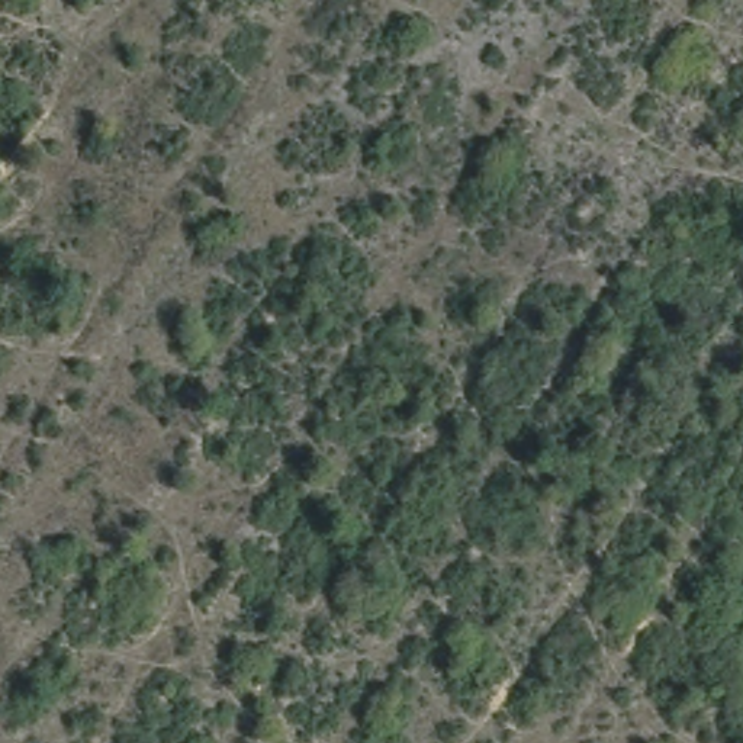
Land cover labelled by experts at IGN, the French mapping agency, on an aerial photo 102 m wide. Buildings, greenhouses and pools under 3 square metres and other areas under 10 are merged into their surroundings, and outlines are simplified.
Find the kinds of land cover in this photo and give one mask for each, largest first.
<instances>
[{"label":"brushwood","instance_id":"1","mask_svg":"<svg viewBox=\"0 0 743 743\"><path fill-rule=\"evenodd\" d=\"M90 3L99 0H0V119L20 116L29 125L41 116L38 102L52 93V75L64 49L61 41L84 38V20L93 12ZM313 9H302L299 20L305 32H319V38L313 46L293 44L287 46V52L302 55L316 73H345V93L357 110L374 113L380 107L392 113L386 122L377 125L383 134V139L377 142V163L357 165L351 197L337 206V218L331 223H311L308 235L299 244L287 241L284 235H276L267 241V247L247 250L229 258L226 270L232 273V282L223 284L218 279H209L203 311H192L186 319L180 302H165L157 311L168 351L180 363H186L183 377H200L209 389L212 401L203 406V412L209 418L226 421V430L221 435L203 441V453L215 459L221 467L238 473L241 479H253L267 464V456L284 459L282 470L250 502V522L276 531L279 551L244 540L241 549H232L226 554V569L244 566L247 572L235 586L241 609L235 618L223 621V639L218 641L215 685L232 688L241 697V702H215L212 708L200 705L189 697V682L180 673L151 670V676L134 691V705L113 717L110 743H464V726L482 714V708L490 702L493 688L502 682L508 670H517L520 679L508 691V699L493 714V720H517L520 726H528L531 717L549 714L551 708H566L569 702L583 697V685L592 679L589 656H595L601 647L630 650L627 668L636 679L644 682L647 699H653L659 717L665 720L662 737L656 743H743V186H723L720 180L708 177H688L679 192L659 197L647 209L650 215L641 229H621L612 235L607 229V221L615 212L618 192L612 183L592 194L598 206L592 218L578 215L580 206L589 200V194L583 192V180L604 177V157L586 151L578 168L557 163L554 177L546 183V174L540 168H522L525 154L531 151L528 136L520 131L508 136L499 128L505 116L525 119V110L537 99V93L551 90L557 78L534 73L531 87L525 93H496L490 99V113H482L473 102V93L459 87V78H447L438 61L412 64V55H401V35L383 38V23L363 9V0H311ZM412 189H435V200H447L450 215L461 218L456 250L435 247L412 270V282L435 296L432 305H427L424 311L415 305H392L380 316H369L366 290L374 287L377 276L369 270L366 255L354 250L357 238L374 235L383 218L409 215ZM566 250L592 253L598 276H604L607 282L598 299L586 296L580 284H557L546 279V261ZM508 258L534 267L531 284L520 293L514 313L505 319L502 328L488 334L485 342L453 351L447 369L435 372L427 363V342H421L424 316L444 311L447 293L456 290L459 276L488 279V302H496L508 287V279L499 273ZM659 9V3L653 0H592L586 20L569 29L575 46H557L546 58V64L554 70L563 64V58H578L572 81L598 107H612L621 99L624 78L612 73L615 67L644 64V52L656 41V35L647 32L650 15ZM270 38L267 26L250 23L247 29H238L223 38L221 55L168 52V41L160 38V75L154 78V84L165 93H174L177 113L197 125H221L229 113H244L235 78L255 67H267L264 49ZM717 52V44L699 41V29L694 26L670 44L668 55L656 67L644 70L647 84L636 96L630 113V119L639 128H647L653 99L662 90H682L685 99H702L705 116L694 131L691 142L711 145L720 154L723 168L743 165V61L726 70L723 84H711L714 64L708 58ZM366 131L348 128V119L331 102L305 107L296 122L284 125V139H279L276 145V160L284 168L296 165L311 174L337 171L345 157V142H363ZM41 235L20 232L15 238H0V331L46 337L58 331H73L75 319L87 308L84 299L90 287V273L61 270L52 255L38 253ZM15 546L29 569V583L17 589L15 598H9V607L20 618L32 621L52 609V595L64 598L61 624L44 639L46 644L58 647V639L67 636L73 644H87L93 641L99 624H107L104 644L116 647L131 644L136 633L151 627L154 601L163 592V583L148 572L174 560V551L168 546H157L142 560H134L125 549L116 551L99 537H73L58 549H49L44 537L38 543H29L20 537L15 540ZM78 668L67 662L61 673L52 668L38 670V694L17 699V708L3 717L6 728L35 723L41 714L55 711L61 705L64 694H73L78 688Z\"/></svg>","mask_w":743,"mask_h":743},{"label":"herbaceous vegetation","instance_id":"2","mask_svg":"<svg viewBox=\"0 0 743 743\"><path fill-rule=\"evenodd\" d=\"M93 12L84 20V38L61 41L64 49L52 75V93L38 102L41 116L29 125L20 116L0 119V238H15L20 232L41 235L38 253L52 255L61 270L90 273V287L84 299L87 308L75 319L73 331H58L46 337L0 331V743H110L113 717L134 705V691L151 676V670L180 673L189 682V697L200 705L212 708L215 702H241V697L232 688L215 685L218 641L223 639V621L235 618L241 609L235 586L247 572L244 566L226 569V554L232 549H241L244 540L279 551L276 531L250 522V502L282 470L284 459L267 456V464L253 479H241L238 473L221 467L215 459L203 453V441L221 435L226 430V421L209 418L203 412V406L212 401L209 389L200 377H183L186 363H180L168 351L157 311L165 302H180L186 319L192 311H203L209 279H218L223 284L232 282V273L226 270L229 258L247 250L267 247V241L276 235H284L287 241L299 244L308 235L311 223H331L337 218V206L351 197L357 165L377 163V142L383 139V134L377 125L386 122L392 113L380 107L374 113L357 110L345 93V73H316L302 55L287 52V46L293 44L313 46L319 38V32H305L299 20L302 9H313L311 0H99L90 3ZM250 23L267 26L270 38L264 49L267 67H255L235 78L244 113H229L221 125H197L177 113L174 93H165L154 84V78L160 75V38L168 41V52L221 55L223 38L238 29H247ZM331 102L348 119V128L366 131L363 142H345V157L337 171L311 174L296 165L284 168L276 160V145L279 139H284V125L296 122L305 107ZM20 537L29 543H38L44 537L49 549H58L73 537H99L116 551L125 549L134 560H142L157 546H168L174 551V560L148 572L163 583V592L154 601L151 627L136 633L131 644L116 647L104 644L107 624H99L93 641L87 644H73L67 636L58 639V647L46 644L44 639L61 624L64 598L52 595V609L32 621L20 618L9 607V598H15L17 589L29 583V569L15 546V540ZM67 662L78 668V688L73 694H64L61 705L55 711L41 714L35 723L6 728L3 717L17 708V699L38 694V670L52 668L61 673ZM592 0H363V9L383 23V38L401 35V55H412V64L438 61L447 78H459V87L473 93V102L482 113H490V99L496 93H525L531 87L534 73L557 78L551 90L537 93V99L525 110V119L505 116L499 128L508 136L520 131L528 136L531 151L525 154L522 168H540L546 174V183L554 177L557 163L578 168L586 151L604 157V177L583 180V192L589 194V200L580 206L578 215L592 218L598 206L592 194L612 183L618 192L615 212L607 221V229L612 235L621 229H641L650 215L647 209L659 197L679 192L688 177H708L720 180L723 186H743V165L723 168L720 154L711 145L691 142L694 131L705 116L702 99H685L682 90H662L653 99L647 128H639L630 119V113L636 96L647 84L644 70L656 67L668 55L670 44L694 26L699 29V41L717 44V52L708 58L714 64L711 84H723L726 70L743 61V0H653L659 3V9L650 15L647 32L656 35V41L644 52V64L615 67L612 73L624 78L621 99L612 107H598L572 81L578 58H563V64L554 70L546 64V58L557 46H575L569 29L586 20ZM461 218L450 215L447 200H435V189H412L409 215L383 218L374 235L357 238L354 250L366 255L369 270L377 276L374 287L366 290L369 316H380L392 305H415L424 311L427 305H432L435 296L412 282V270L435 247L456 250ZM546 279L557 284H580L586 296L598 299L607 282L604 276H598L592 253L566 250L546 261ZM499 273L508 279V287L496 302H488V279L459 276L456 290L447 293L444 311L424 316L421 342H427V363L435 372L447 369L453 351L485 342L488 334L502 328L505 319L514 313L520 293L531 284L534 267L508 258ZM630 650L601 647L595 656H589L592 679L583 685V697L569 702L566 708H551L549 714L531 717L528 726H520L517 720H493V714L508 699V691L520 679L517 670H508L502 682L493 688L490 702L482 708V714L464 726V743H656L662 737L665 720L659 717L653 699H647L644 682L636 679L627 668Z\"/></svg>","mask_w":743,"mask_h":743}]
</instances>
